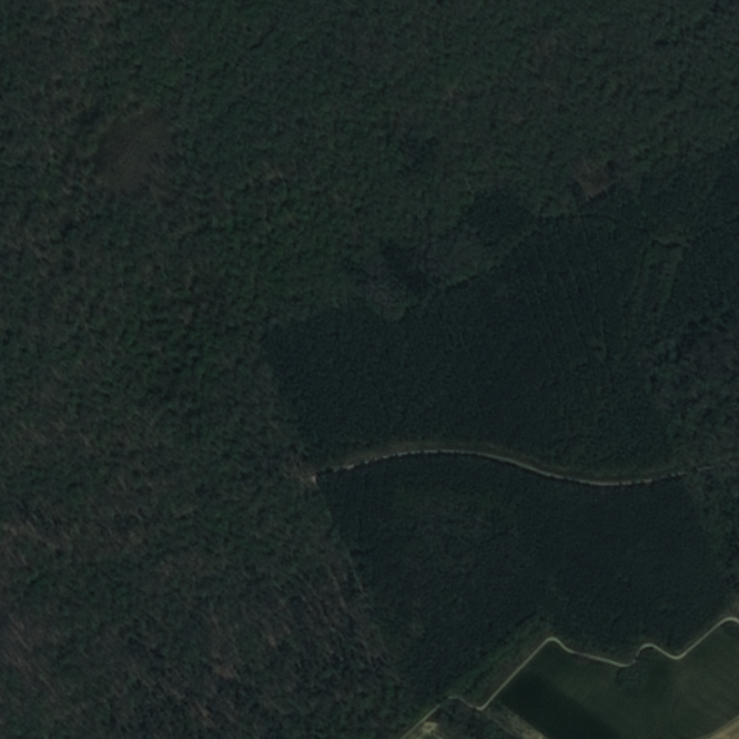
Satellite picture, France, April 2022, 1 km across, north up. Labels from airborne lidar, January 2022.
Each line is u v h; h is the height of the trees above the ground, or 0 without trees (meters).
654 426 21
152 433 27
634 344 18
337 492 16
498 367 20
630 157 24
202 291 25
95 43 22
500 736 10
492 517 7
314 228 21
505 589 19
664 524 17
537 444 15
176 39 21
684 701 0
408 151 26
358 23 20
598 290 21
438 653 16
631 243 18
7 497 21
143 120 0
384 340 23
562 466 18
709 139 23
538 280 19
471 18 25
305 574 23
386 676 26
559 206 21
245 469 19
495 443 17
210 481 22
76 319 19
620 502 19
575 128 20
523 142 22
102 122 21
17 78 21
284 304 21
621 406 20
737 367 23
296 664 29
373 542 19
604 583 19
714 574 16
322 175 22
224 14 22
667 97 22
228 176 24
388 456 0
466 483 16
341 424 23
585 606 16
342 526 21
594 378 21
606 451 20
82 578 22
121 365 23
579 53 21
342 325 22
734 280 17
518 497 18
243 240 22
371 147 21
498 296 19
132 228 22
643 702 0
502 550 20
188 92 23
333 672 27
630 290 20
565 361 19
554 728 0
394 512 20
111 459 25
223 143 26
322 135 22
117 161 0
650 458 22
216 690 24
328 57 20
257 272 23
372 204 19
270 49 22
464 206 9
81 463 21
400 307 19
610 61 21
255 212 25
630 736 0
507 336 19
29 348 20
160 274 21
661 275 15
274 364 20
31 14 22
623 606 18
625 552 16
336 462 18
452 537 15
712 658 0
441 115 24
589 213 21
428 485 16
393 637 15
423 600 19
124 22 19
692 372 26
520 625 15
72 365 21
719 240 16
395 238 19
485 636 19
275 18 21
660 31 20
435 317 19
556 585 15
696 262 19
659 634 16
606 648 18
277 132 23
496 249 17
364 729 22
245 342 23
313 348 20
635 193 20
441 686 20
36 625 26
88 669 26
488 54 24
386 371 23
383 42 24
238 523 21
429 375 21
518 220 18
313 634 26
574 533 17
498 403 20
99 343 18
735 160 18
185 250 23
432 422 18
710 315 19
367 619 25
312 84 21
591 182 26
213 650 24
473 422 16
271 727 22
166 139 0
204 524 19
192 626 22
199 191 25
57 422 24
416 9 21
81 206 21
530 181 19
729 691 0
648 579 15
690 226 14
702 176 16
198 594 20
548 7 22
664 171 11
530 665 0
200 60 19
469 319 17
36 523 25
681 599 17
